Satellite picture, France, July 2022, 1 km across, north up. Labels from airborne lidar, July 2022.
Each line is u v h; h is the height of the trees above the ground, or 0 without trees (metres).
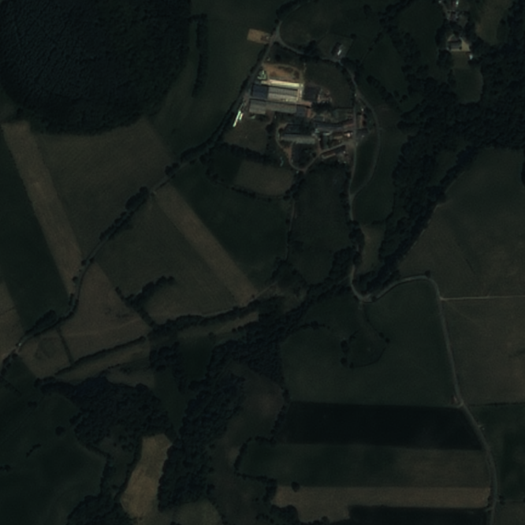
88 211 0
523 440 0
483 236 0
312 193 0
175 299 0
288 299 0
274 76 0
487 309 0
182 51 20
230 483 0
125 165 0
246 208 0
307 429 0
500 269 0
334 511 0
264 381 0
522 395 0
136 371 0
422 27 0
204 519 0
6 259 0
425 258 0
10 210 0
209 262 0
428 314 0
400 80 0
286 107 0
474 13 0
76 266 0
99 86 14
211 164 15
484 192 0
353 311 0
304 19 0
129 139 0
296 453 0
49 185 0
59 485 0
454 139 15
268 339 7
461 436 0
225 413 6
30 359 0
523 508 0
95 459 0
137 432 14
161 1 26
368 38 0
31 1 17
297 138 0
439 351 0
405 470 0
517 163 0
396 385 0
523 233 0
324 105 14
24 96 11
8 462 0
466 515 0
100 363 0
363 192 0
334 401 0
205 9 0
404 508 0
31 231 0
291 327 11
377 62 0
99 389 25
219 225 0
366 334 0
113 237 11
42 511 0
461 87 0
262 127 0
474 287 0
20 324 0
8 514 0
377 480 0
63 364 0
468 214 0
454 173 6
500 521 0
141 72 9
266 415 0
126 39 12
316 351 0
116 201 0
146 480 0
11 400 0
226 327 0
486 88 16
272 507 13
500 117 26
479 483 0
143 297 20
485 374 0
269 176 0
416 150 8
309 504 0
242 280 0
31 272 0
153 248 0
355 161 0
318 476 0
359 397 0
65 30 18
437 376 0
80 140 0
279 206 0
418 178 9
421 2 0
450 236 0
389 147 0
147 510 0
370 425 0
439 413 0
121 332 0
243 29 0
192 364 0
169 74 12
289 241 11
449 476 0
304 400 0
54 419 0
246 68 0
